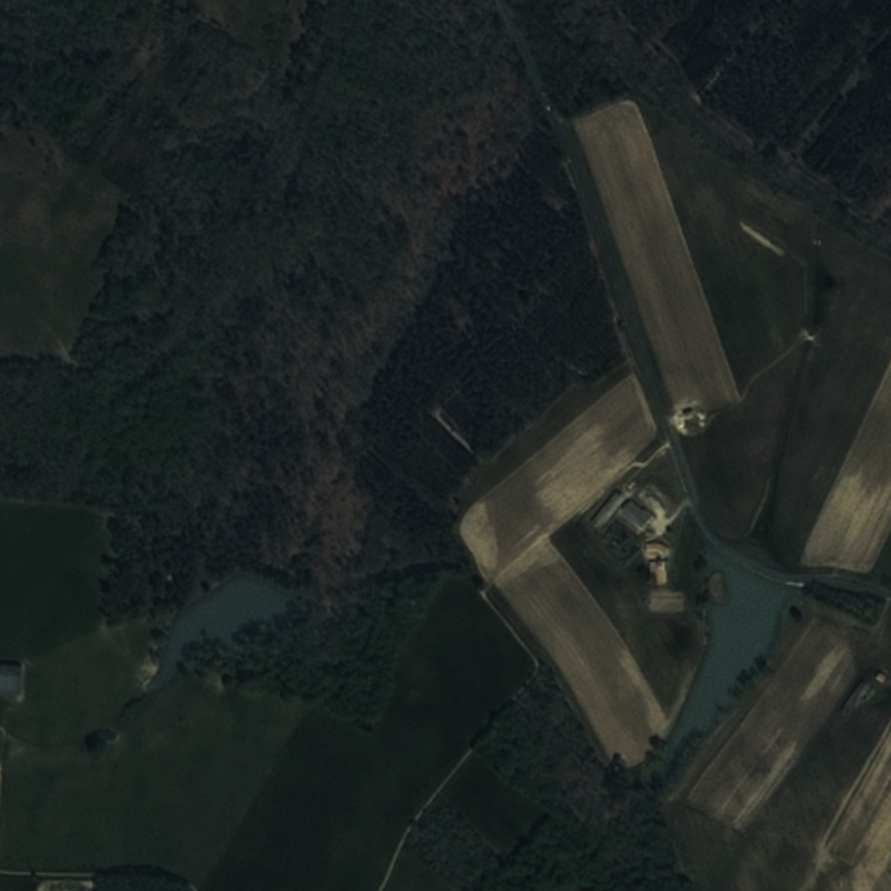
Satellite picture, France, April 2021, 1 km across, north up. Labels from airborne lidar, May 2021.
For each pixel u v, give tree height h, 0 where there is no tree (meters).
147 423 20
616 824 10
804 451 0
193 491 11
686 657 0
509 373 22
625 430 0
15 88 23
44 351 0
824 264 0
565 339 11
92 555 0
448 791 0
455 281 20
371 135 8
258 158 11
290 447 24
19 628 0
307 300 23
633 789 21
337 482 8
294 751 0
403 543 17
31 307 0
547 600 0
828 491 0
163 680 0
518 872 16
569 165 0
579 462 0
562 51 11
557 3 18
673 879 23
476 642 0
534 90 17
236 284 24
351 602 14
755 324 0
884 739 0
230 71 15
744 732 0
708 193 0
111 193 0
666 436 0
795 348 0
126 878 17
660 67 15
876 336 0
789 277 0
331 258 19
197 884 0
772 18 19
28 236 0
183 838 0
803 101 21
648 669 0
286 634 26
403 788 0
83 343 11
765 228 0
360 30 17
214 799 0
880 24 10
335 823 0
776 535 0
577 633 0
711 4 10
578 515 0
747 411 0
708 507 0
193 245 18
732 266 0
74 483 15
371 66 18
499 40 18
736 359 0
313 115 14
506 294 18
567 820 14
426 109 15
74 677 0
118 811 0
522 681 0
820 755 0
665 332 0
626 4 22
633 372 0
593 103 14
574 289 12
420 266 12
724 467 0
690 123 13
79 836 0
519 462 0
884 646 0
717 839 0
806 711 0
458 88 9
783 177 14
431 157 10
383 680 16
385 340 17
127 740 0
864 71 12
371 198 14
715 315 0
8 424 16
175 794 0
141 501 8
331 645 17
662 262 0
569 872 17
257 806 0
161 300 14
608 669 0
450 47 16
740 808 0
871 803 0
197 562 22
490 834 0
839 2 10
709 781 0
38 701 0
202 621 0
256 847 0
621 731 0
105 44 15
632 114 0
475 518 0
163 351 9
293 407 9
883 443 0
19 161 0
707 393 0
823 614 0
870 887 0
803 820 0
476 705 0
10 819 0
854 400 0
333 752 0
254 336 21
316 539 11
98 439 22
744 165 18
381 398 20
